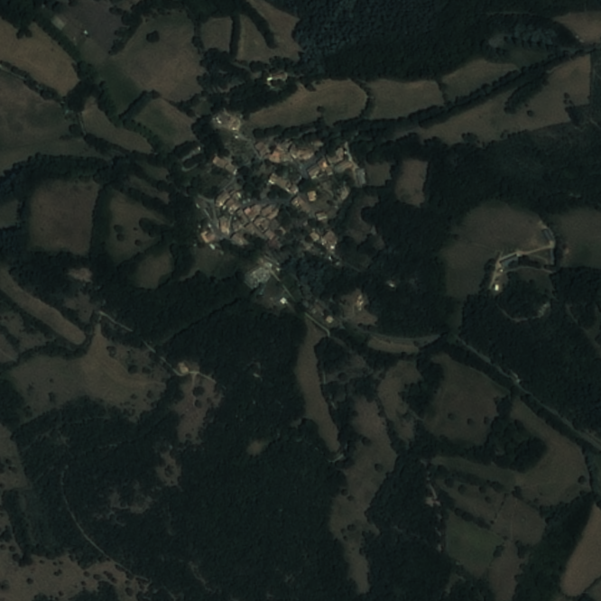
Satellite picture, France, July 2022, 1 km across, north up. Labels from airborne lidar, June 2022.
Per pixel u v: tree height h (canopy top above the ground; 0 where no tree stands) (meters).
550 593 10
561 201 14
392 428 8
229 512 9
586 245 0
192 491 14
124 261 7
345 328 8
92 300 7
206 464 14
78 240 0
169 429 11
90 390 0
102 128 0
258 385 12
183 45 0
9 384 10
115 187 12
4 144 0
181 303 10
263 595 8
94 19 0
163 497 9
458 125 0
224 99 10
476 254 0
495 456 15
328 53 26
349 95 0
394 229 9
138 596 9
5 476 0
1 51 0
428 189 11
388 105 0
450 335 22
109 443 7
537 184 7
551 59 12
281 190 10
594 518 0
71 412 8
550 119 0
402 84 0
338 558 14
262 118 0
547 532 9
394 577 8
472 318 18
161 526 9
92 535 7
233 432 11
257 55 0
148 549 9
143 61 0
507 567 0
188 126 0
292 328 11
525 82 8
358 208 0
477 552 0
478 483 7
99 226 10
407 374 0
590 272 11
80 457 6
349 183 11
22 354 8
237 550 10
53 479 8
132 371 8
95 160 12
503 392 0
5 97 0
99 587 8
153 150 9
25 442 6
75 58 17
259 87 12
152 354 8
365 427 0
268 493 10
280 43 0
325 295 16
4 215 0
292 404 12
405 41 17
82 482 8
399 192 0
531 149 9
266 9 0
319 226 12
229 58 15
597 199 21
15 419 11
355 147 17
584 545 0
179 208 8
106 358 0
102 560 10
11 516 7
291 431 18
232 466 12
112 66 0
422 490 12
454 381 0
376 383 9
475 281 0
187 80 0
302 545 11
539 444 17
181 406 0
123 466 9
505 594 0
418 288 8
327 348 11
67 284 9
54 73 0
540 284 0
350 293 6
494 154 7
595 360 10
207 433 8
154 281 0
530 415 0
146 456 9
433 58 16
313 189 14
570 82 0
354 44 19
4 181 12
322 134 16
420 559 7
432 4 11
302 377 0
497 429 12
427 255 15
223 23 0
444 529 8
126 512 8
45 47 0
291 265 22
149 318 19
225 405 10
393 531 7
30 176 18
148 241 0
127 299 16
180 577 7
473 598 12
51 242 0
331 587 11
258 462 13
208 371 9
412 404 11
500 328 16
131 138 0
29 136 0
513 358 18
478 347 17
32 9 20
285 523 13
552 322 11
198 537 10
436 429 0
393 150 18
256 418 12
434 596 8
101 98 12
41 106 0
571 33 12
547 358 12
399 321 7
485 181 14
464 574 7
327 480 9
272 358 9
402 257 10
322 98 0
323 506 13
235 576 8
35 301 0
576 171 7
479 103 8
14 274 19
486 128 0
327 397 10
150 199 14
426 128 11
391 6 18
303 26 14
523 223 0
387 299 12
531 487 0
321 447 11
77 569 0
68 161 17
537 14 13
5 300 7
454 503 11
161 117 0
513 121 0
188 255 24
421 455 13
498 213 0
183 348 12
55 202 0
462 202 10
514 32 31
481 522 11
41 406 0
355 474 0
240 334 12
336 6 25
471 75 0
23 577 0
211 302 16
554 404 12
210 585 6
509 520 0
